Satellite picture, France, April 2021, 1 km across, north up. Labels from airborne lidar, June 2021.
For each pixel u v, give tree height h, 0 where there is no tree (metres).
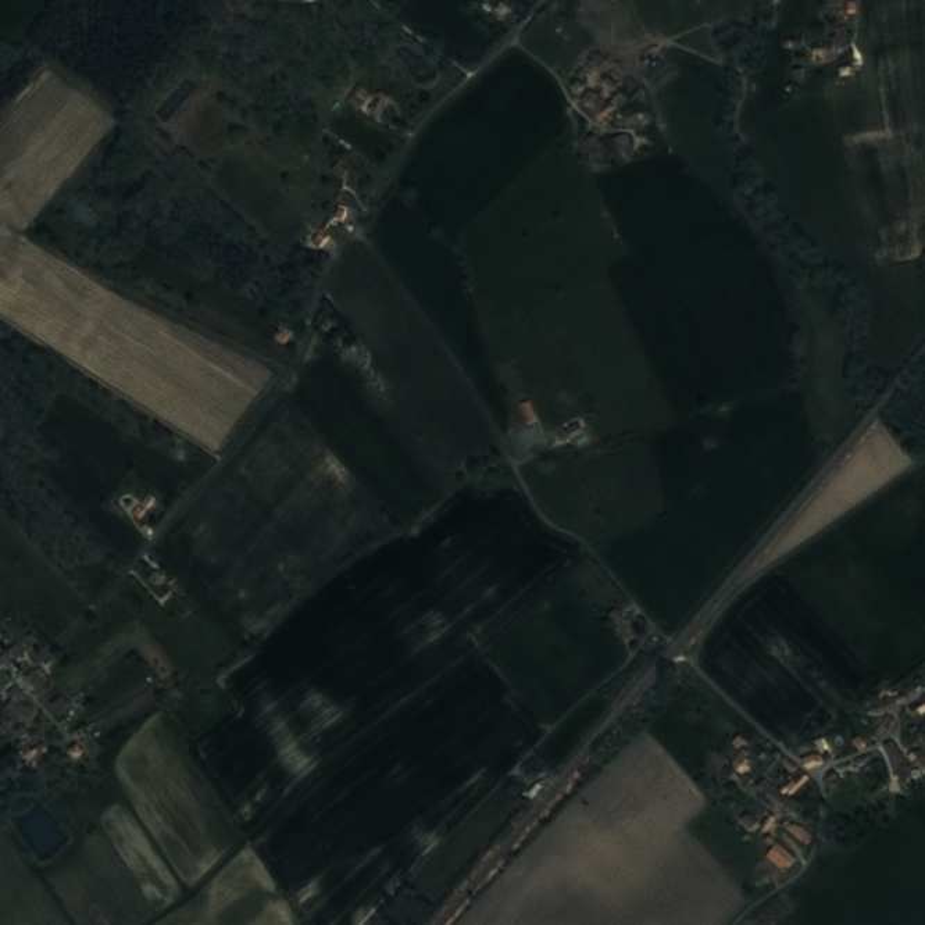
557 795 0
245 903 0
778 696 0
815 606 0
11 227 0
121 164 19
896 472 0
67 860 0
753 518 0
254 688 0
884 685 0
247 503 0
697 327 0
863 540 0
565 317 0
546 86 0
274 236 0
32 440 20
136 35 12
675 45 0
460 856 0
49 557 16
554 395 0
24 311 0
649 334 0
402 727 0
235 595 0
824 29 15
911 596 0
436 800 0
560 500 0
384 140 0
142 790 0
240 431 0
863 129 0
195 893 0
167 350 0
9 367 13
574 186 0
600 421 0
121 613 0
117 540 0
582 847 0
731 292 0
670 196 0
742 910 0
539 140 0
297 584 0
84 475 0
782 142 0
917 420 17
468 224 0
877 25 0
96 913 0
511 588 0
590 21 0
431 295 0
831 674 0
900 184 0
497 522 0
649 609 0
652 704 8
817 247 20
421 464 0
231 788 0
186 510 0
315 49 24
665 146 0
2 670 0
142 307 0
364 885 0
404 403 0
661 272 0
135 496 0
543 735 0
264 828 0
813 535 0
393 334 0
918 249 0
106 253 13
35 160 0
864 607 0
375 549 16
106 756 0
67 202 0
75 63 13
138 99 14
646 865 0
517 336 0
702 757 0
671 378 0
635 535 0
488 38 0
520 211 0
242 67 18
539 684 0
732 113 20
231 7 14
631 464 0
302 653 0
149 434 20
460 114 0
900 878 0
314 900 0
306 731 0
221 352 0
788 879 0
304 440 0
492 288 0
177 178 17
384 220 0
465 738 0
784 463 0
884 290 0
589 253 0
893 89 0
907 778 0
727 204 0
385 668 0
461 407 0
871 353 0
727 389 0
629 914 0
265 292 18
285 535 0
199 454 0
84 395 15
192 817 0
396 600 0
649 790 0
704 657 0
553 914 0
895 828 0
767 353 0
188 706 0
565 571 0
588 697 0
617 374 0
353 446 0
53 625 0
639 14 0
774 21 19
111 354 0
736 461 0
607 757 22
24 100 0
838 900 0
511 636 0
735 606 0
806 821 11
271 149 12
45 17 11
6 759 12
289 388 0
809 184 0
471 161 0
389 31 21
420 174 0
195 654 0
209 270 18
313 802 0
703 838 0
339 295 0
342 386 0
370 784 0
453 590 0
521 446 0
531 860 0
